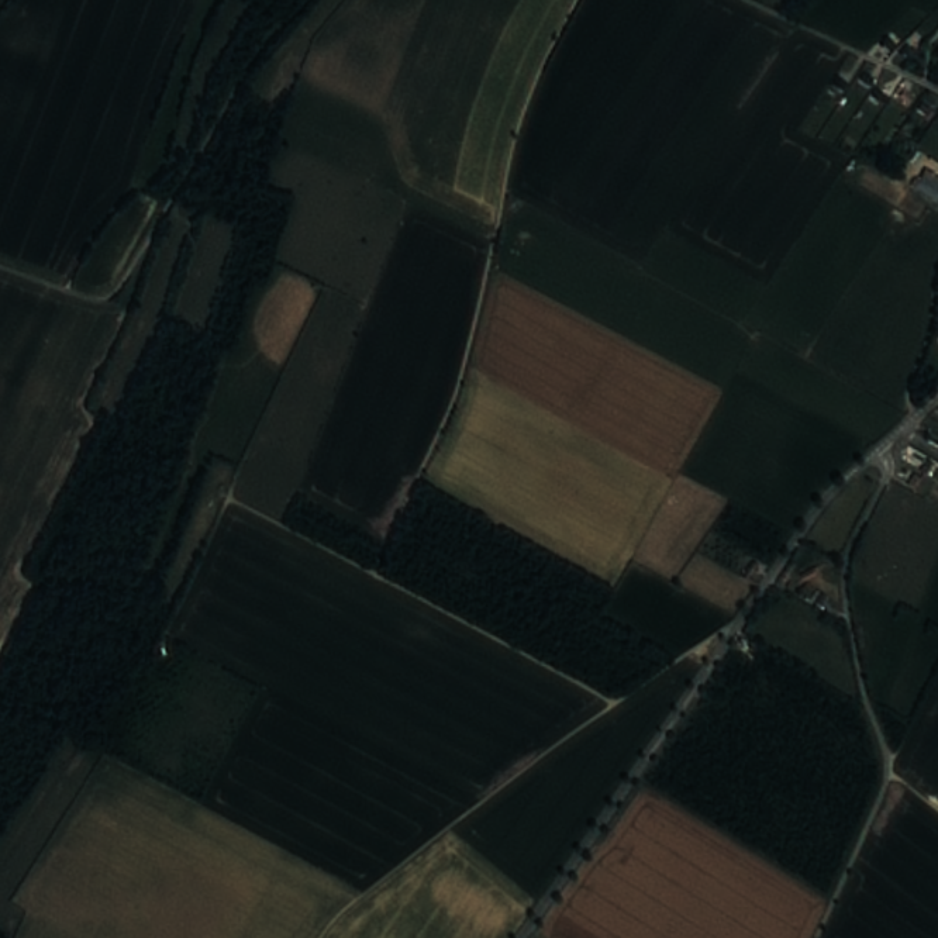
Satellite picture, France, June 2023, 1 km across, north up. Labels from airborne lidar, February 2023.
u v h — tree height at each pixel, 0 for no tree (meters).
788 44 0
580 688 0
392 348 0
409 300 0
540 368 0
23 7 0
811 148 0
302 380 0
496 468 0
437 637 0
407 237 0
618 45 0
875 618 0
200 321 0
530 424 0
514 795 0
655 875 0
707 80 0
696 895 0
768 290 0
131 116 0
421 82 0
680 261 0
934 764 0
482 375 0
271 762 0
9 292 0
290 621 0
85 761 0
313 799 0
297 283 0
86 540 25
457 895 0
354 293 0
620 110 0
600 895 0
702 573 0
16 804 16
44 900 0
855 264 0
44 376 0
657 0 0
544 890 0
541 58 0
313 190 0
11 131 0
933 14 0
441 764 0
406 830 0
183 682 0
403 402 0
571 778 0
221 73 15
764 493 0
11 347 0
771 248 0
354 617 0
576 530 0
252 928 0
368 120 0
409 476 0
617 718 0
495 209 0
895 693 0
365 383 0
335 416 0
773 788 6
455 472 0
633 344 0
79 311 0
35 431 0
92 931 0
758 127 0
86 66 0
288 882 0
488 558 16
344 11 0
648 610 0
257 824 0
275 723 0
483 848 0
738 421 0
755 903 0
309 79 0
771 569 0
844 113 0
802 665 13
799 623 0
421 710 0
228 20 0
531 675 0
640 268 0
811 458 0
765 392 0
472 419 0
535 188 0
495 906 0
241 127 20
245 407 0
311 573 0
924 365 8
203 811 0
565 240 0
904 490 0
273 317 0
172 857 0
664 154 0
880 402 0
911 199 0
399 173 0
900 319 0
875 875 0
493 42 0
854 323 0
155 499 23
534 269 0
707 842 0
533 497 0
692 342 0
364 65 0
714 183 0
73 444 0
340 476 0
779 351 0
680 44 0
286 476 0
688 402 0
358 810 0
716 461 0
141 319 0
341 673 0
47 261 0
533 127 0
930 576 0
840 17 0
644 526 0
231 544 0
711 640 0
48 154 0
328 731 0
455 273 0
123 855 0
